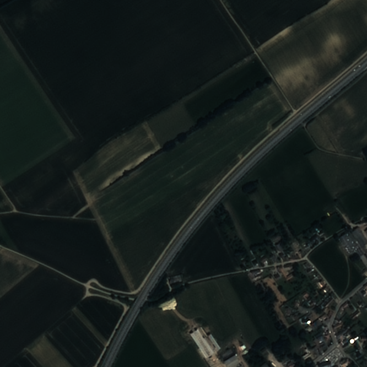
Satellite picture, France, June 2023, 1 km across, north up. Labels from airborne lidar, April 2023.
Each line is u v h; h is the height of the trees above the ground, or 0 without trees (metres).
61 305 0
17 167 0
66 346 0
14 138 0
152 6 0
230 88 0
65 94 0
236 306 0
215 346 0
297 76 0
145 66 0
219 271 0
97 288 0
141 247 0
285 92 0
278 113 0
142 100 0
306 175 0
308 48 0
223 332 0
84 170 0
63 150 0
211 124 0
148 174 0
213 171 0
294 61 0
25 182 0
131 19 0
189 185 0
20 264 0
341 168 0
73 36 0
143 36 0
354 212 0
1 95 0
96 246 0
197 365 0
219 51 0
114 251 0
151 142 0
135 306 0
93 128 0
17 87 0
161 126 0
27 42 0
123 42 0
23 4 0
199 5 0
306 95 0
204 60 0
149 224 0
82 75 0
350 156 0
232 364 0
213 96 0
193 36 0
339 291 0
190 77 0
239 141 0
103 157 0
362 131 0
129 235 0
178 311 0
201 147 0
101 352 0
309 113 0
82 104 0
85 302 0
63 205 0
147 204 0
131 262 0
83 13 0
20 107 0
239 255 15
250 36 0
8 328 0
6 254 0
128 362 0
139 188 0
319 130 0
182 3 0
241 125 0
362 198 0
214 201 0
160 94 0
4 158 0
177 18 0
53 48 0
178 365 0
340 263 0
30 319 0
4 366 0
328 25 0
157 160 0
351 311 0
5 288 0
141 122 6
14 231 0
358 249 0
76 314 0
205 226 0
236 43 0
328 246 0
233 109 0
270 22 0
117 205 0
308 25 0
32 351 0
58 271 0
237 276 0
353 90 0
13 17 0
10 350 0
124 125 0
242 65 0
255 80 0
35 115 0
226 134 0
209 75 0
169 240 0
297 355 17
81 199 0
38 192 0
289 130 0
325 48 0
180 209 0
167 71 0
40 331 0
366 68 0
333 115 0
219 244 0
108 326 0
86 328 0
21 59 0
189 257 0
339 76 0
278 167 0
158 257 0
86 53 0
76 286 0
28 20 0
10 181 0
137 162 0
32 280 0
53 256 0
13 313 0
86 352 0
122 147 0
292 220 0
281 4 0
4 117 0
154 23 0
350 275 0
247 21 0
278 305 0
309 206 0
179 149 0
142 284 0
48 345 0
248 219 0
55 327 0
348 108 0
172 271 0
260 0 0
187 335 0
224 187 0
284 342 22
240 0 0
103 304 0
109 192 0
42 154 0
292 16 0
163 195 0
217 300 0
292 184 0
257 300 0
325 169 0
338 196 0
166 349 0
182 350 0
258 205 0
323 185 0
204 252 0
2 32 0
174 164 0
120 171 0
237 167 0
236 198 0
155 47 0
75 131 0
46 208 0
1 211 0
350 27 0
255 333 0
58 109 0
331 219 0
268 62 0
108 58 0
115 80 0
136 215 0
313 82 0
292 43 0
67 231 0
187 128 0
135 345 0
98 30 0
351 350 0
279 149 0
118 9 0
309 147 0
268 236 7
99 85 0
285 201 0
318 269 0
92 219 0
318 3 0
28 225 0
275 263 0
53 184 0
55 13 0
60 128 0
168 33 0
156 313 0
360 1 0
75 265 0
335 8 0
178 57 0
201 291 0
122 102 0
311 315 0
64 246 0
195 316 0
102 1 0
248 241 0
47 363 0
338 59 0
